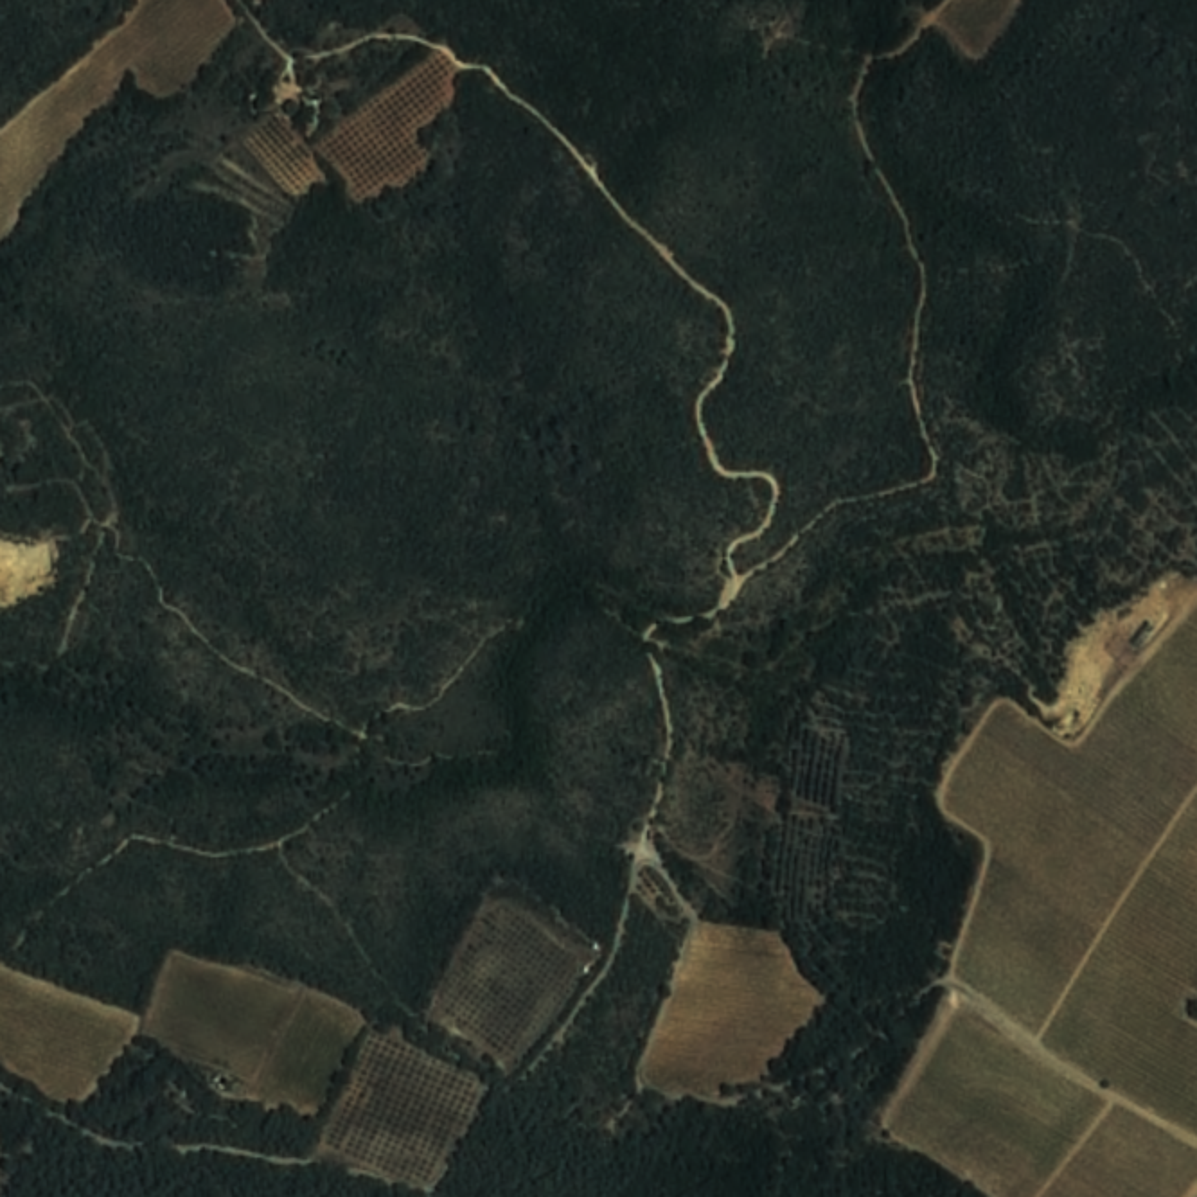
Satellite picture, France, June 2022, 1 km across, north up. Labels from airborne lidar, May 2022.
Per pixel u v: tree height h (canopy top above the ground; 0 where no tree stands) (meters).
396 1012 6
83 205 6
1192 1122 0
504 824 0
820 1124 8
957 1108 0
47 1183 14
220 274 8
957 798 0
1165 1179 0
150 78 0
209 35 0
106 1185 19
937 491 8
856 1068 13
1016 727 0
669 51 7
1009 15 0
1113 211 6
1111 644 0
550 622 8
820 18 6
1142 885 0
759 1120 8
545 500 10
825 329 7
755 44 8
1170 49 15
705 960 0
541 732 6
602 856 6
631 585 9
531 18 5
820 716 7
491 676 7
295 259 5
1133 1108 0
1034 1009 0
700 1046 0
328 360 10
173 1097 8
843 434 7
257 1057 0
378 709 6
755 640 13
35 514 7
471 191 6
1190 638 0
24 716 6
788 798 7
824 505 8
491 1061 8
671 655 8
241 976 0
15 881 6
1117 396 6
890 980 9
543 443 17
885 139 6
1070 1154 0
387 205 16
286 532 8
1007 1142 0
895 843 8
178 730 12
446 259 7
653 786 5
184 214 7
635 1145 20
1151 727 0
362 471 7
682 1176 11
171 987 0
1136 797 0
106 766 10
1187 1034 0
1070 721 0
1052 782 0
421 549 7
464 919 7
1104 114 6
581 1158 17
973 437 9
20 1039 0
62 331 7
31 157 0
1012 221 8
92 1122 15
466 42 7
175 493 6
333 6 6
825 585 8
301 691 6
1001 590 6
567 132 9
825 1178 11
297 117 10
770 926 15
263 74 7
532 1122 13
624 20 8
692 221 0
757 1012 0
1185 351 6
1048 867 0
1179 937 0
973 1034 0
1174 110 7
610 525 9
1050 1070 0
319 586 6
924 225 7
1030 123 8
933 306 9
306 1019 0
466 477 7
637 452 7
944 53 9
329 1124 8
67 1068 0
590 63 6
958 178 7
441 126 13
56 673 8
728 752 8
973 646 7
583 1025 7
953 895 9
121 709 11
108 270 7
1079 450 6
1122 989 0
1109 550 5
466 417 15
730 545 0
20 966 7
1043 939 0
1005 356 9
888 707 8
